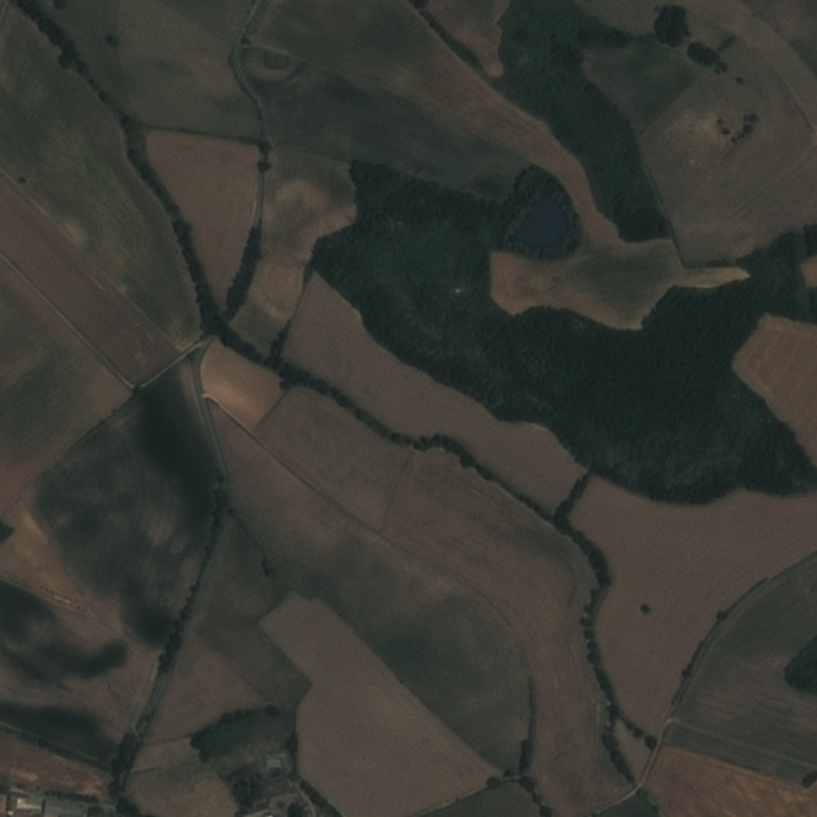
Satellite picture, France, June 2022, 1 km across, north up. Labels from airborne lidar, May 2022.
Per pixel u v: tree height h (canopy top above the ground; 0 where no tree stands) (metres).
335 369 0
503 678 0
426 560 0
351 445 0
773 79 0
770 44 0
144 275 0
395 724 0
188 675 0
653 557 0
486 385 8
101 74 0
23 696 0
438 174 0
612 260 0
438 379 6
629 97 0
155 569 0
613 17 0
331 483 0
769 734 0
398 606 0
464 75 0
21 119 0
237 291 15
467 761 0
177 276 0
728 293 11
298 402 0
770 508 0
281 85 0
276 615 0
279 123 0
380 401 0
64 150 0
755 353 0
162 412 0
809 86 0
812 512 0
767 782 0
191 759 0
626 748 0
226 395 0
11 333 0
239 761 0
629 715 0
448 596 0
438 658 0
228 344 18
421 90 0
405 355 12
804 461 9
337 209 0
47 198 0
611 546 0
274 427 0
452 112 0
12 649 0
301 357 0
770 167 0
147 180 7
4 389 0
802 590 0
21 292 0
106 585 0
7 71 0
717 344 14
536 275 0
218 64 0
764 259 10
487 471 24
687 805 0
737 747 0
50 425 0
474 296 6
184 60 0
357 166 12
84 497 0
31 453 0
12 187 0
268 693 0
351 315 0
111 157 0
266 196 0
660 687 0
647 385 13
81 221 0
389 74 0
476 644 0
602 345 14
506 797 0
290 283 0
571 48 9
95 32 0
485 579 0
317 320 0
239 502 0
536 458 0
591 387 13
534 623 0
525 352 10
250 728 0
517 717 0
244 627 0
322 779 0
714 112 0
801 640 0
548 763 0
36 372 0
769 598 0
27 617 0
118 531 0
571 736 0
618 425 10
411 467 0
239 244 0
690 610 0
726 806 0
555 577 0
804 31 0
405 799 0
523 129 0
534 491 0
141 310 0
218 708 0
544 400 6
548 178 6
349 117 0
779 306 10
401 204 12
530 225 0
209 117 0
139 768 0
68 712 0
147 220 0
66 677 0
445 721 0
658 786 0
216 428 0
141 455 0
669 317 13
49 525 0
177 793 0
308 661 0
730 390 5
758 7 0
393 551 0
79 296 0
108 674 0
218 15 0
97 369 0
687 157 0
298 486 0
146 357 0
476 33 0
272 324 0
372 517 0
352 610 0
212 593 0
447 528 0
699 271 0
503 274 0
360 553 0
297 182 0
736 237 0
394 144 0
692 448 9
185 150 0
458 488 0
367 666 0
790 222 0
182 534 0
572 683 0
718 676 0
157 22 0
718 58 13
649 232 13
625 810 0
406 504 0
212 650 0
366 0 0
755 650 0
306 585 0
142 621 0
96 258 0
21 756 0
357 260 11
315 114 0
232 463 0
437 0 0
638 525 0
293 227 0
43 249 0
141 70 0
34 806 0
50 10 0
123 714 0
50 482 0
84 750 0
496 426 0
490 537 0
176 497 0
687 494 9
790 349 0
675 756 0
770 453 9
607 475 10
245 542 0
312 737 0
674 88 0
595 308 0
